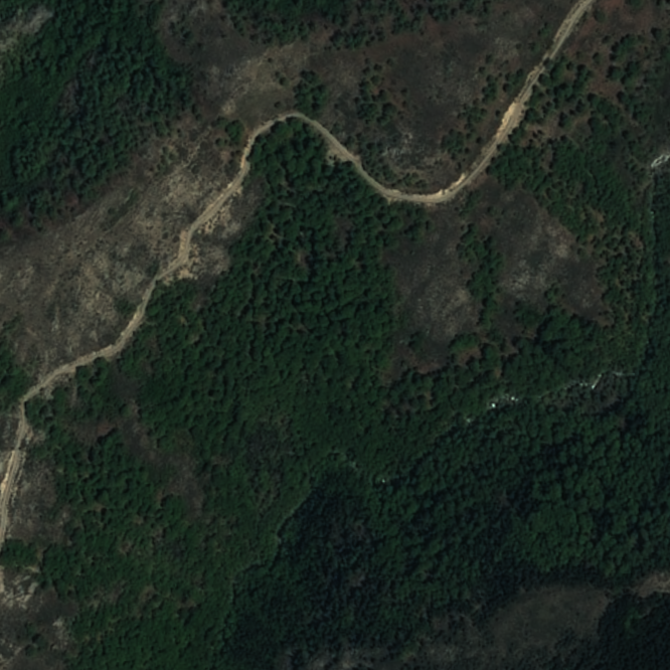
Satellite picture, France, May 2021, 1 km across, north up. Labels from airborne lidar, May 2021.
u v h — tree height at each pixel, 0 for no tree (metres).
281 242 32
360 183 25
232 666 21
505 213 7
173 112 16
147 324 9
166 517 26
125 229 0
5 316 0
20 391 13
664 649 20
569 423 28
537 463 23
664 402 25
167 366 23
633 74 19
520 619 0
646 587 0
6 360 18
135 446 0
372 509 19
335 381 24
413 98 0
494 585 18
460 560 17
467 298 0
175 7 0
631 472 27
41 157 23
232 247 14
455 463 28
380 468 17
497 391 15
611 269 14
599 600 0
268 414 20
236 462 14
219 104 0
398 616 13
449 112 0
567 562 9
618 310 17
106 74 16
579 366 16
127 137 12
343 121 0
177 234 0
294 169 33
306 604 17
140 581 19
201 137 0
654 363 16
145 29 11
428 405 20
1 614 0
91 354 0
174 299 19
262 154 18
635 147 15
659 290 21
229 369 27
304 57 0
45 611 0
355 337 28
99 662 25
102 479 27
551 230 0
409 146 0
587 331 19
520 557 20
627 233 20
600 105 22
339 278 30
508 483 18
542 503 27
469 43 0
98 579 18
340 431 29
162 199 0
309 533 21
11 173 7
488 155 0
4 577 0
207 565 14
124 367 18
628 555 16
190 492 0
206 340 21
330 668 13
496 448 24
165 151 7
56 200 17
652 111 12
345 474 13
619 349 16
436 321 0
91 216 0
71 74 15
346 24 22
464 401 22
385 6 13
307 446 26
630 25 0
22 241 0
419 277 0
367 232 16
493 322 13
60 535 0
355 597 14
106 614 17
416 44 0
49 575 15
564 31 0
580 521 24
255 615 23
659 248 16
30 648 16
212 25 0
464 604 12
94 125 16
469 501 31
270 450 9
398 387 24
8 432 0
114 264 0
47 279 0
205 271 0
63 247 0
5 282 0
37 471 0
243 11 16
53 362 0
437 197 0
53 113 14
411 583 16
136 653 21
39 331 0
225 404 27
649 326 19
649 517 25
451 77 0
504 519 9
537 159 23
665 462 21
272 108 0
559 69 25
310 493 17
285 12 8
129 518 24
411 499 27
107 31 25
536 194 9
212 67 0
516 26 0
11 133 16
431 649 0
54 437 26
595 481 28
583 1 0
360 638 15
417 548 29
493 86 19
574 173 15
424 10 18
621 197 20
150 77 28
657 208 17
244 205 0
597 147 17
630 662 27
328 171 26
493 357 23
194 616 20
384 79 10
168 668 17
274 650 16
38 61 15
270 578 20
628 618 13
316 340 27
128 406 16
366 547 16
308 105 11
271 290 30
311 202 36
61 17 20
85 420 9
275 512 15
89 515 16
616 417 22
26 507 0
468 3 14
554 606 0
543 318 8
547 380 17
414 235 20
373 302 11
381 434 19
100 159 19
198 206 0
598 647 9
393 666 0
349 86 0
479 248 28
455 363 14
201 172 0
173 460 0
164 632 20
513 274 0
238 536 13
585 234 12
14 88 16
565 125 29
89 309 0
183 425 23
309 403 20
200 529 12
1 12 7
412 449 13
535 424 25
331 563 17
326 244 22
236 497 22
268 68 0
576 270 0
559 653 8
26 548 17
